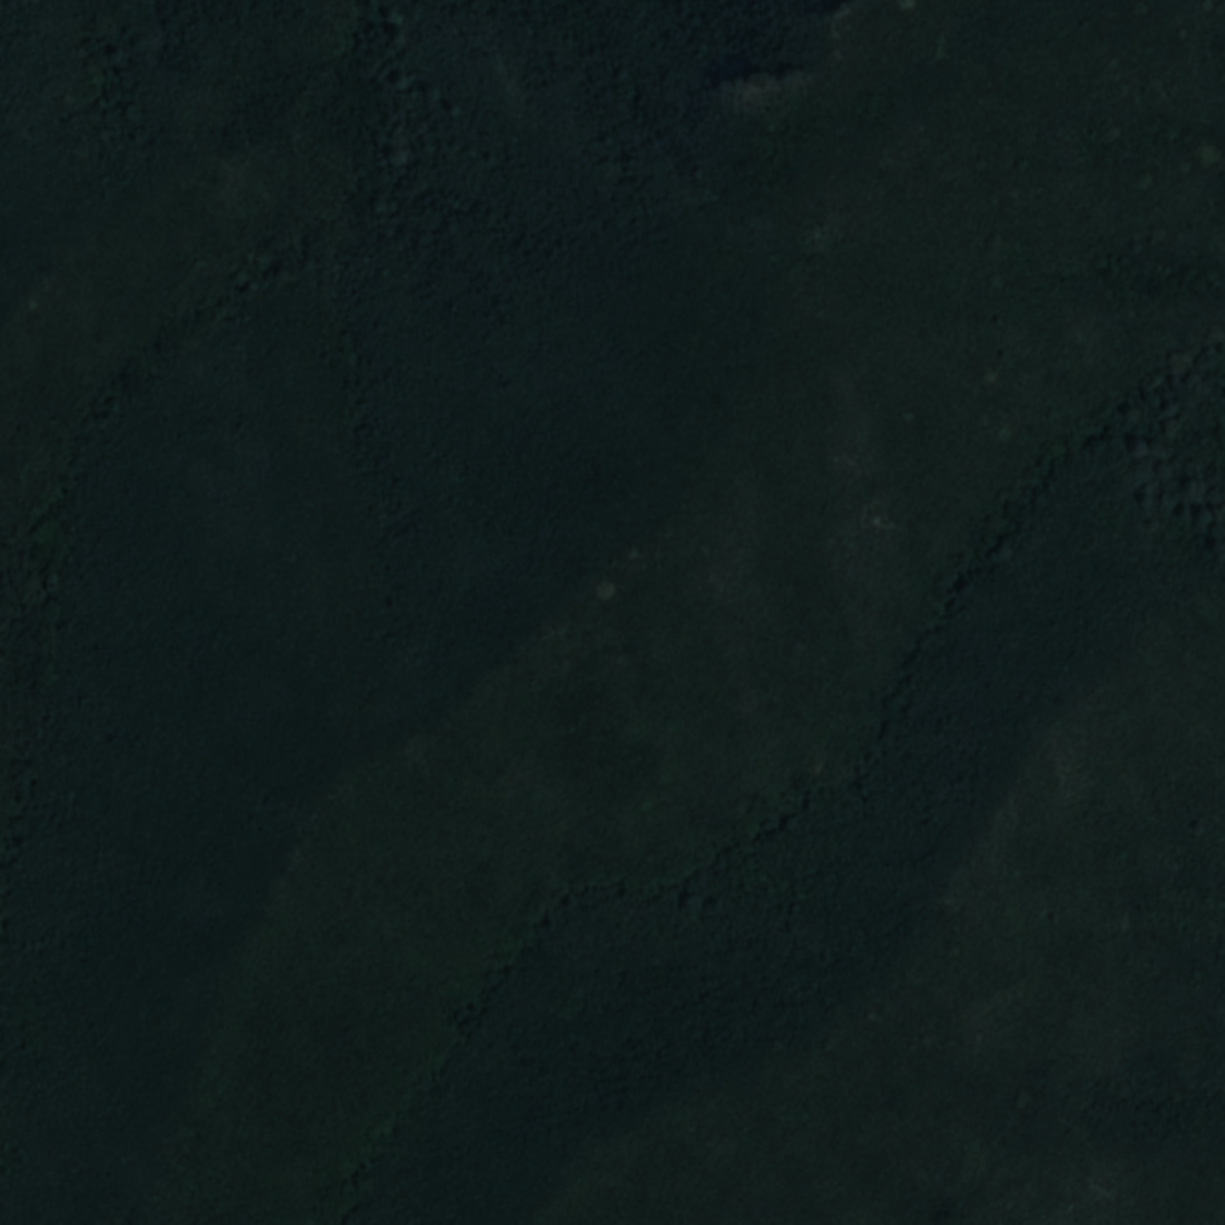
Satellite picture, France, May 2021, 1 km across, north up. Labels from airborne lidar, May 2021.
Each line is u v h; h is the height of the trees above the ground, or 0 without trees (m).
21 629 10
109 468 8
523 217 9
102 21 17
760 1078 6
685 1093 8
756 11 10
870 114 8
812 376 6
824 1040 7
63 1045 7
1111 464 10
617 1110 9
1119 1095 10
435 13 14
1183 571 10
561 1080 8
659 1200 7
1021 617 8
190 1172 7
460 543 6
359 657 7
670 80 11
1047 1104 8
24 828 14
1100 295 8
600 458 6
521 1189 8
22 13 11
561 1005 10
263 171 7
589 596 8
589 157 9
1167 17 7
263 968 6
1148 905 12
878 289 6
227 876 6
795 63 8
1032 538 9
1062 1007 7
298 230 17
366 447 14
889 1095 8
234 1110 7
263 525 6
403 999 8
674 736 8
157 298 6
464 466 8
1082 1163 8
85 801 8
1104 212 5
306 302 9
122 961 6
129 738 9
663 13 9
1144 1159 8
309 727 6
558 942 9
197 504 6
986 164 7
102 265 6
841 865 10
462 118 9
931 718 7
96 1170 6
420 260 10
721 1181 6
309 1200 8
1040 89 6
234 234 9
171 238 7
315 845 6
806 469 6
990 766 6
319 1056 8
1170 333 8
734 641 6
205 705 6
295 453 6
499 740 6
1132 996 6
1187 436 10
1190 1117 11
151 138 10
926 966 6
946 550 7
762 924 9
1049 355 9
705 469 5
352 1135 8
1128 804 6
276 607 6
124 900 7
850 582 6
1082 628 9
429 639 7
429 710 6
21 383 6
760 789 8
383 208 23
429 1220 10
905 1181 8
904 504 7
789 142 9
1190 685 6
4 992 9
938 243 9
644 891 9
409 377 9
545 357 6
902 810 7
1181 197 7
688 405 7
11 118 8
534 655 5
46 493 9
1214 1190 7
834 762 10
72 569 9
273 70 14
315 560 6
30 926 8
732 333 7
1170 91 9
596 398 6
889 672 8
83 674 8
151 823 7
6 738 10
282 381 6
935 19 7
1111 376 8
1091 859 8
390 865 6
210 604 6
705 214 9
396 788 7
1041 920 9
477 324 7
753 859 8
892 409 6
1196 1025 7
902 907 9
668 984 10
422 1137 8
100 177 10
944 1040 7
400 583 7
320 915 6
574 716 8
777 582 7
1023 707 6
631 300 6
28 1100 7
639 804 6
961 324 7
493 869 7
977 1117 9
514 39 8
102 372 9
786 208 5
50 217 6
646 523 5
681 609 7
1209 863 8
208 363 8
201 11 14
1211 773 7
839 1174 6
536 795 6
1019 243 8
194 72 7
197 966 6
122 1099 6
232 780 6
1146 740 7
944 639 12
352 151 16
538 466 8
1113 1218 8
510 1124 8
